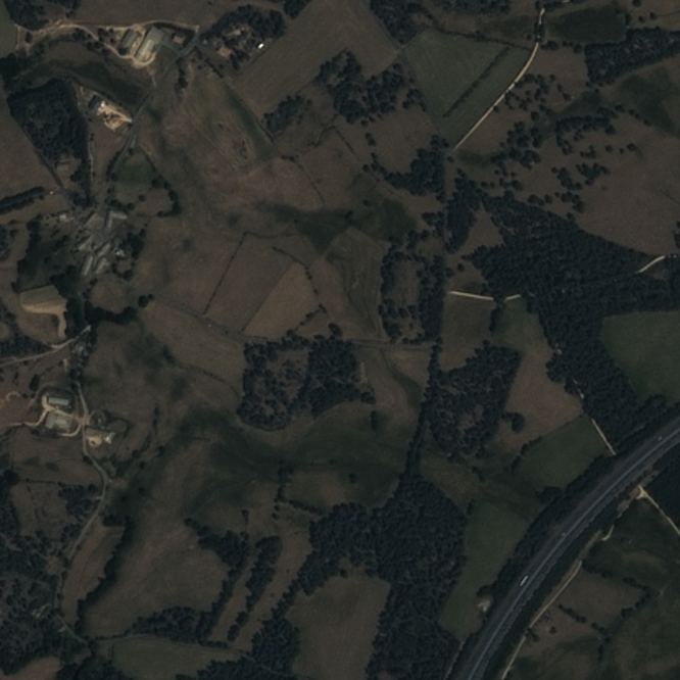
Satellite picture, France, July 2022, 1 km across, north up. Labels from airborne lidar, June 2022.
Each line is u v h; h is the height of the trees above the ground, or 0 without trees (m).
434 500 18
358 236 0
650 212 0
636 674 0
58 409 0
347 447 0
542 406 0
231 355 0
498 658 10
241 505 0
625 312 12
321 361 20
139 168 0
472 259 15
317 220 0
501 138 0
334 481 0
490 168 0
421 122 0
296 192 0
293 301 0
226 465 0
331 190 0
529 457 0
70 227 0
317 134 0
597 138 0
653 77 0
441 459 0
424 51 0
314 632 0
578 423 0
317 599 0
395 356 0
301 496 0
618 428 17
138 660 0
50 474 0
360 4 0
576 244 17
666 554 0
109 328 0
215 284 0
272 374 16
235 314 0
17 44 0
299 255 0
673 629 0
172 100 0
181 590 0
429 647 23
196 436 0
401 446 0
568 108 0
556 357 14
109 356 0
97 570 0
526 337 0
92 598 14
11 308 0
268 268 0
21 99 24
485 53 0
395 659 20
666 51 17
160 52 0
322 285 0
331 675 0
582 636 0
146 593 0
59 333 0
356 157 0
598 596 0
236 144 0
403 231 0
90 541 0
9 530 18
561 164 0
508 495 0
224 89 0
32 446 0
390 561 15
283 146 0
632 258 17
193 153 0
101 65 0
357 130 0
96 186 0
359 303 0
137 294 0
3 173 0
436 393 21
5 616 0
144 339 0
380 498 0
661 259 0
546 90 14
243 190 0
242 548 16
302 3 15
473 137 0
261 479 0
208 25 0
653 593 11
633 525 0
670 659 0
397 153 0
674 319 0
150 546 0
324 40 0
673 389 0
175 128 0
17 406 0
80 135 15
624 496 10
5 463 0
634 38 18
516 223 17
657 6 0
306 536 0
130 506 0
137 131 0
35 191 15
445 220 16
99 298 0
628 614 13
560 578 9
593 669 0
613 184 0
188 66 0
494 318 15
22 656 13
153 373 0
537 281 20
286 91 0
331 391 23
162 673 0
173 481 0
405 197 0
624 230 0
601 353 15
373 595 0
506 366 21
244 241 0
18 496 0
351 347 14
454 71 0
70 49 0
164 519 0
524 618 10
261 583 20
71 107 14
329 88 10
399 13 16
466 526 16
